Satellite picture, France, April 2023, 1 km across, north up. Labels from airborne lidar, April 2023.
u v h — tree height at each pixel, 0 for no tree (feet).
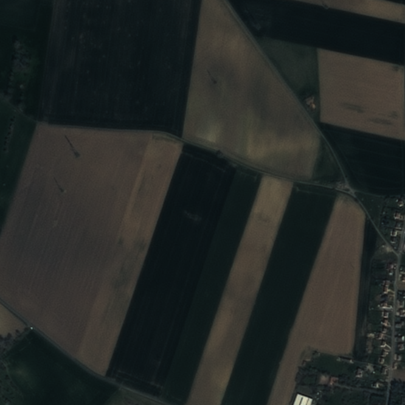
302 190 0
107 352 0
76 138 0
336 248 0
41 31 0
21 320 0
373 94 0
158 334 0
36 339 0
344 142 0
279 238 0
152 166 0
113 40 0
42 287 0
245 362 0
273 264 0
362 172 0
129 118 0
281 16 0
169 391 0
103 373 0
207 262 0
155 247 0
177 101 0
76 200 0
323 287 0
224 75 0
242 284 0
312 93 0
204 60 0
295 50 0
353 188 0
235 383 0
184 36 0
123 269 0
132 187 0
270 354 0
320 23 0
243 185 0
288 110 0
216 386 0
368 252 0
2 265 0
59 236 0
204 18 0
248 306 0
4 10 0
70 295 0
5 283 0
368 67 0
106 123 0
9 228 0
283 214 0
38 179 0
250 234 0
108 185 0
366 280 0
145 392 0
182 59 0
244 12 0
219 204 0
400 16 0
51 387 0
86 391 0
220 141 0
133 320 0
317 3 0
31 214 0
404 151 0
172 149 0
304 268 0
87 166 0
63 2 0
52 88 0
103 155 0
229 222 0
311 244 0
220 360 0
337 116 0
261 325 0
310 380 0
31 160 0
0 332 0
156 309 0
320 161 0
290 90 0
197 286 0
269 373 0
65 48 0
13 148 0
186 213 0
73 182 0
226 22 0
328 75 0
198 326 0
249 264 0
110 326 0
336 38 0
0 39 0
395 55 0
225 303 0
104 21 0
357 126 0
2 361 32
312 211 0
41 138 0
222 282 0
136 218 0
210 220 0
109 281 0
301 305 0
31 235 0
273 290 0
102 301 0
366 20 0
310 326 0
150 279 0
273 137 0
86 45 0
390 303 0
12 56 0
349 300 0
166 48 0
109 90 0
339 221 0
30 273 0
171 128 0
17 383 0
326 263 0
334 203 0
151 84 0
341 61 0
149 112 0
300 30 0
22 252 0
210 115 0
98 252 0
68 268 0
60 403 0
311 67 0
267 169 0
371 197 0
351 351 0
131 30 0
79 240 0
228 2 0
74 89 0
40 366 0
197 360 0
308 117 0
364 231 0
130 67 0
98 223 0
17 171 0
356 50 0
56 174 0
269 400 0
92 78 0
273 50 0
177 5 0
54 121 0
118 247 0
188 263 0
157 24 0
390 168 0
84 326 0
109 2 0
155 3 0
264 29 0
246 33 0
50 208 0
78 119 0
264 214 0
